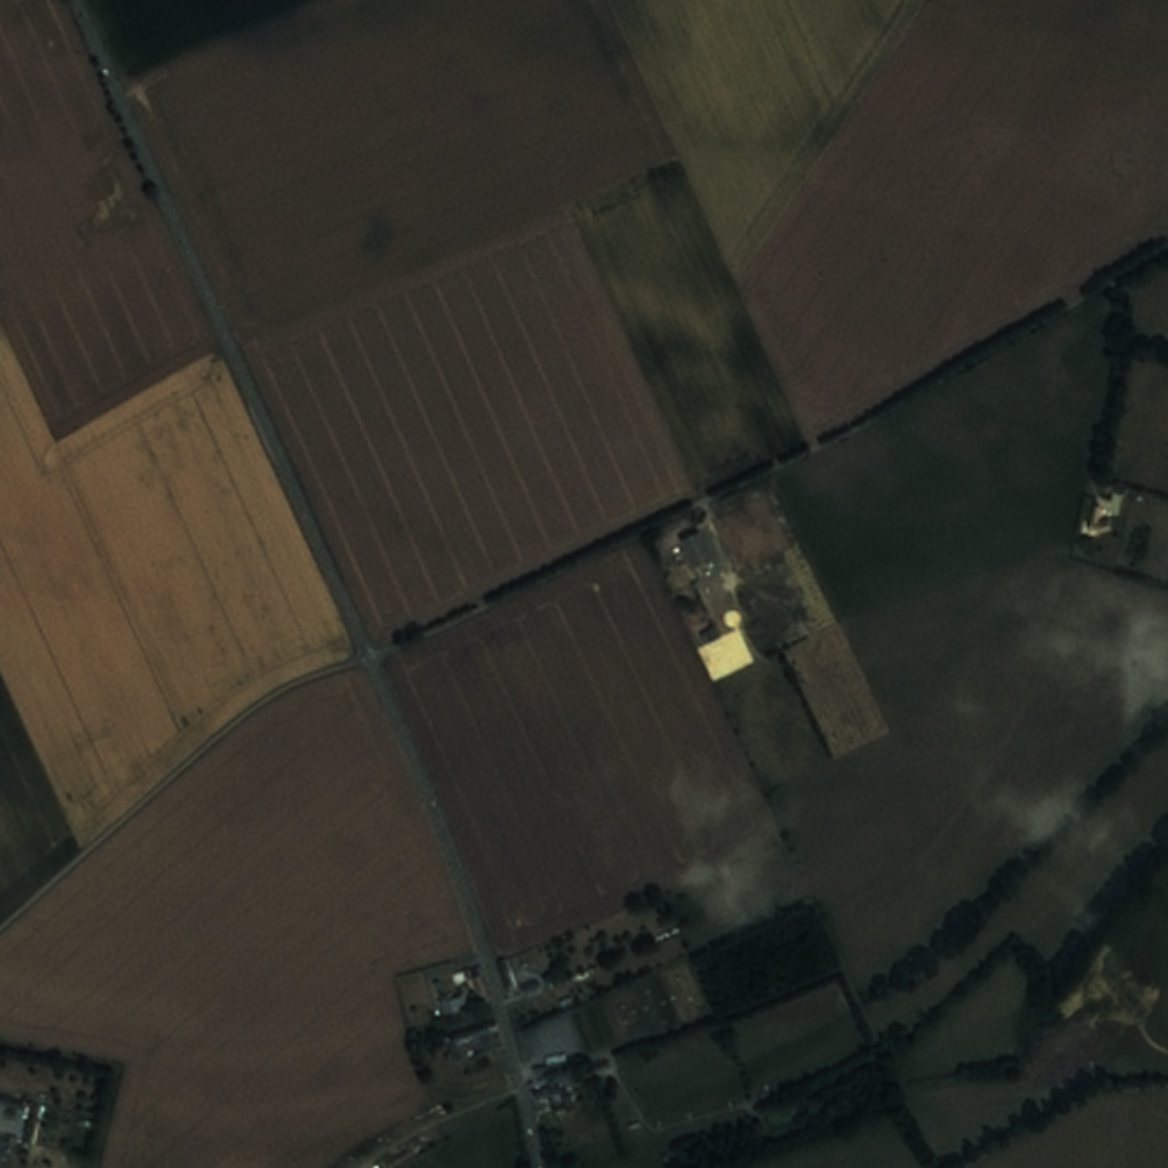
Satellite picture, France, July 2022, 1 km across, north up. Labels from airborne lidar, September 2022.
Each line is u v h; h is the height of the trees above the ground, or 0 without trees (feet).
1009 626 0
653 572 0
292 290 0
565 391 0
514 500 0
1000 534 0
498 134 0
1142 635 0
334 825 0
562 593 0
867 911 0
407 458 0
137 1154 0
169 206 0
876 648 0
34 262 0
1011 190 0
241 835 0
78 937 0
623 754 0
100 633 0
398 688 0
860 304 0
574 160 0
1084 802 44
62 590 0
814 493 0
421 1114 0
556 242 0
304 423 0
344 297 0
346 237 0
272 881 0
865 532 0
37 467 0
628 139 0
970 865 0
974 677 0
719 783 0
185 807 0
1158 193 0
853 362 0
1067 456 0
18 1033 0
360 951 0
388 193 0
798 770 0
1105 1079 60
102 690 0
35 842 0
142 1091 0
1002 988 0
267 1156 0
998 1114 0
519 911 0
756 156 0
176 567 0
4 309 0
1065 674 0
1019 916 0
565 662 0
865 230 0
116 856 0
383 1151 0
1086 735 0
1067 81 0
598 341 0
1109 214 0
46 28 0
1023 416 0
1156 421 0
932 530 0
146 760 0
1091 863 0
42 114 0
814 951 38
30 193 0
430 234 0
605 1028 0
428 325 0
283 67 0
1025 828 0
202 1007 0
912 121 0
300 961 0
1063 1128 0
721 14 0
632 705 0
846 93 0
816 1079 27
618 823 0
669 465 0
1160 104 0
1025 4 0
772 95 0
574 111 0
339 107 0
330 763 0
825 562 0
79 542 0
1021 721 0
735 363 0
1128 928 0
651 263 0
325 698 0
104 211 0
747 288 0
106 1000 0
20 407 0
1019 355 0
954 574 0
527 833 0
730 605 0
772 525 0
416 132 0
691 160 0
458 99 0
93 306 0
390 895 0
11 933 0
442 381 0
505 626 0
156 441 0
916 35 0
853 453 0
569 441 0
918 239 0
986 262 0
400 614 0
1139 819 0
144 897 0
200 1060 0
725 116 0
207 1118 0
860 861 0
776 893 0
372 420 0
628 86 0
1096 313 0
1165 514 0
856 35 0
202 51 0
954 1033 0
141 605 0
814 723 32
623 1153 22
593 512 0
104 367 0
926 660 0
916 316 0
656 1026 0
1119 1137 0
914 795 0
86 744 0
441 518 0
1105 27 0
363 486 0
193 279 0
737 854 0
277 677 0
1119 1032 0
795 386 0
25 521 0
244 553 0
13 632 0
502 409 0
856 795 0
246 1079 0
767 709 0
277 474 0
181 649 0
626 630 0
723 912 0
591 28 0
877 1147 0
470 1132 0
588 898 0
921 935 0
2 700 0
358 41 0
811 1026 0
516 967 0
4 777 0
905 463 0
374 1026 0
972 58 0
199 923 0
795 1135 26
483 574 0
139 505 0
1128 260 36
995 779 0
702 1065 0
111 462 0
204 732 0
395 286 0
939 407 0
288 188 0
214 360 0
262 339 0
